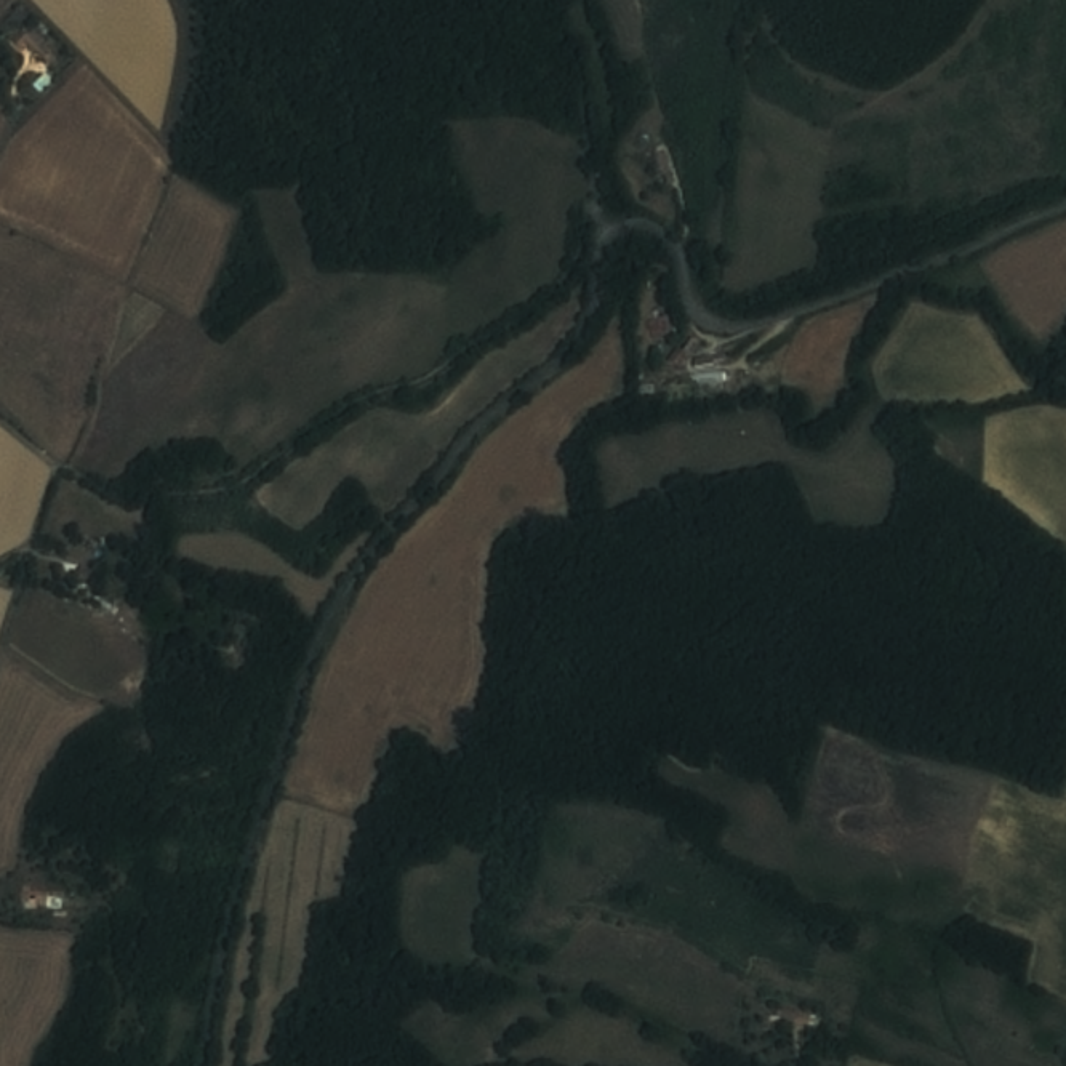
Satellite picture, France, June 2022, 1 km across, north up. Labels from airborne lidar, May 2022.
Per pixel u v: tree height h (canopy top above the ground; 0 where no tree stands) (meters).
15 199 0
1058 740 19
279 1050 18
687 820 10
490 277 0
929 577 22
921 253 17
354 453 0
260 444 0
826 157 0
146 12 0
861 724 16
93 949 9
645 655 15
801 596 18
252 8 18
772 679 17
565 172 0
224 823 16
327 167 20
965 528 17
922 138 0
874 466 0
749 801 0
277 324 0
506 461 0
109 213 0
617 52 12
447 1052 0
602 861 0
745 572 22
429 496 16
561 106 12
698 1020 0
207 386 0
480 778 16
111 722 8
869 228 16
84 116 0
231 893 23
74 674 0
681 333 10
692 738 14
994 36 6
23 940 0
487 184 0
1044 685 13
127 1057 17
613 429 17
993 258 0
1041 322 0
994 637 19
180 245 0
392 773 21
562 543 18
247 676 14
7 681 0
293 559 9
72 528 12
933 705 22
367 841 22
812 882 0
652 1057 0
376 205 17
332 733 0
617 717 12
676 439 0
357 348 0
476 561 0
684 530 20
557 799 12
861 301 0
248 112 16
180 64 0
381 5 20
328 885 0
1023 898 0
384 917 21
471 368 10
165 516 14
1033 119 0
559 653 18
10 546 0
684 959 0
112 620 0
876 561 20
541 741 11
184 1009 0
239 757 14
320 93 23
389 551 17
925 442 12
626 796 11
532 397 14
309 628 11
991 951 13
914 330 0
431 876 0
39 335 0
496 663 19
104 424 0
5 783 0
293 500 0
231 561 0
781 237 0
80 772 15
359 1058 20
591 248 17
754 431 0
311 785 0
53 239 0
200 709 15
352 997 20
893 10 13
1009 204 14
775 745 14
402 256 15
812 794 0
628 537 18
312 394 0
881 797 0
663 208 0
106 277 0
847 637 21
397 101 19
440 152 15
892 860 0
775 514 21
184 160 15
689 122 6
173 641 17
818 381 0
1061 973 0
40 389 0
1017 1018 0
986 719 15
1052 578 18
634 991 0
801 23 15
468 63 15
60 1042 12
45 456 0
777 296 19
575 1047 0
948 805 0
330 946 20
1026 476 0
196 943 16
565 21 19
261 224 10
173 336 0
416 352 0
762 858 0
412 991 20
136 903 6
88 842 12
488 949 13
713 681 15
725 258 14
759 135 0
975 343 0
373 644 0
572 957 0
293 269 0
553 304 12
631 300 9
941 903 0
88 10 0
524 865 13
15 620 0
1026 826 0
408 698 0
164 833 8
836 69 12
